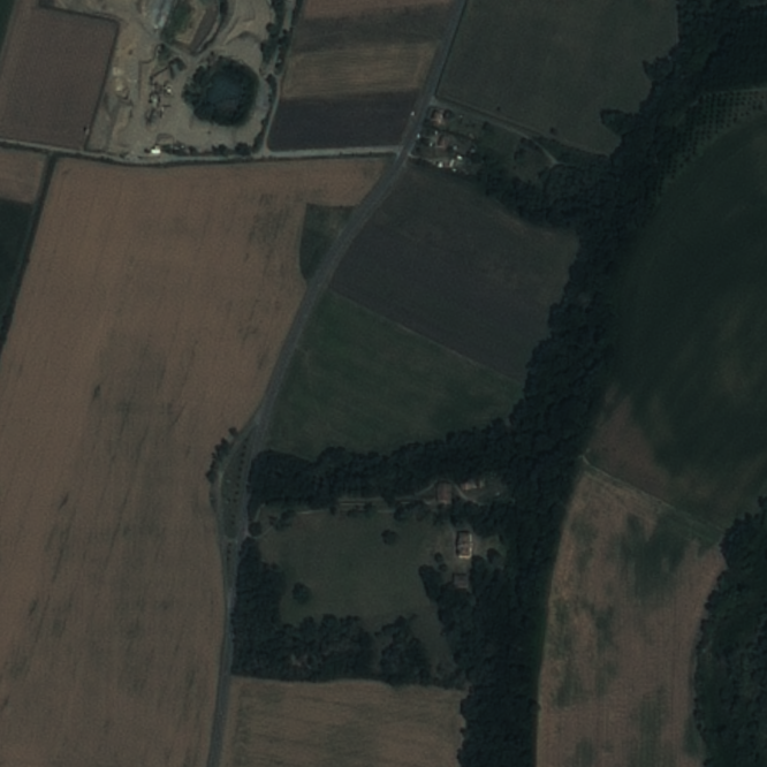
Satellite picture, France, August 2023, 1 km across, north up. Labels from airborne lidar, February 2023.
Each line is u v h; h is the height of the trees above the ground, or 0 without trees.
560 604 0
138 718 0
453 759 0
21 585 0
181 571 0
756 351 0
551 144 6
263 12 0
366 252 0
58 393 0
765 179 0
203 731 0
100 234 0
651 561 0
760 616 9
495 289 0
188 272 0
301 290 0
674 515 0
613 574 0
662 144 19
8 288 0
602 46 0
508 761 17
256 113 0
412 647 16
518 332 0
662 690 0
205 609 0
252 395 0
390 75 0
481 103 0
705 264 0
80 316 0
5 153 0
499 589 25
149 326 0
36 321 0
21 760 0
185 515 0
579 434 21
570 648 0
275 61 0
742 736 10
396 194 0
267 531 0
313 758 0
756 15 18
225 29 0
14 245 0
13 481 0
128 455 0
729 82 23
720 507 0
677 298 0
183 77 0
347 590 0
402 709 0
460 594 7
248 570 14
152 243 0
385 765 0
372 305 0
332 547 0
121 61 0
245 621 16
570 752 0
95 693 0
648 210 25
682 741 0
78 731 0
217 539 0
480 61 0
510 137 0
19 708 0
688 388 0
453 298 0
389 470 26
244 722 0
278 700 0
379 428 0
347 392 0
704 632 8
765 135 0
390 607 0
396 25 0
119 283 0
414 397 0
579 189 11
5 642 0
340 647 17
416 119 0
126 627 0
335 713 0
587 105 0
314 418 0
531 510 10
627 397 0
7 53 0
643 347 0
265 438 0
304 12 0
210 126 0
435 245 0
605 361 11
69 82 0
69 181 0
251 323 0
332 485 15
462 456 23
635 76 0
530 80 0
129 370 0
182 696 0
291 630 11
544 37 0
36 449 0
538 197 16
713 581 0
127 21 0
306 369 0
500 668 17
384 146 0
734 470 0
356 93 0
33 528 0
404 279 0
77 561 0
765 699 15
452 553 0
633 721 0
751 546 12
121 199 0
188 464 0
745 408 0
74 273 0
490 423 0
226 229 0
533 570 18
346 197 0
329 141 0
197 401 0
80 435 0
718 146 0
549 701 0
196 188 0
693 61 24
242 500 0
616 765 0
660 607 0
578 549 0
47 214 0
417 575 0
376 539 0
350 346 0
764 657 13
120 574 0
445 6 0
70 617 0
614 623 0
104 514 0
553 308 0
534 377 20
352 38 0
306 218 0
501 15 0
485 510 6
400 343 0
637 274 0
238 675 8
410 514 16
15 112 0
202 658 0
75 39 0
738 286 0
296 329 0
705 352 0
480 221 0
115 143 0
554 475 28
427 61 0
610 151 0
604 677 0
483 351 0
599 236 19
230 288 0
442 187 0
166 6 0
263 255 0
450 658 0
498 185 12
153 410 0
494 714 24
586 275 19
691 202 0
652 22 0
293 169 0
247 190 0
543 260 0
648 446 0
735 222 0
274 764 0
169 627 0
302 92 0
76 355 0
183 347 0
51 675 0
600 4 0
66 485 0
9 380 0
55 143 0
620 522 0
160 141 0
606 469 0
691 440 0
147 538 0
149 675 0
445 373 0
